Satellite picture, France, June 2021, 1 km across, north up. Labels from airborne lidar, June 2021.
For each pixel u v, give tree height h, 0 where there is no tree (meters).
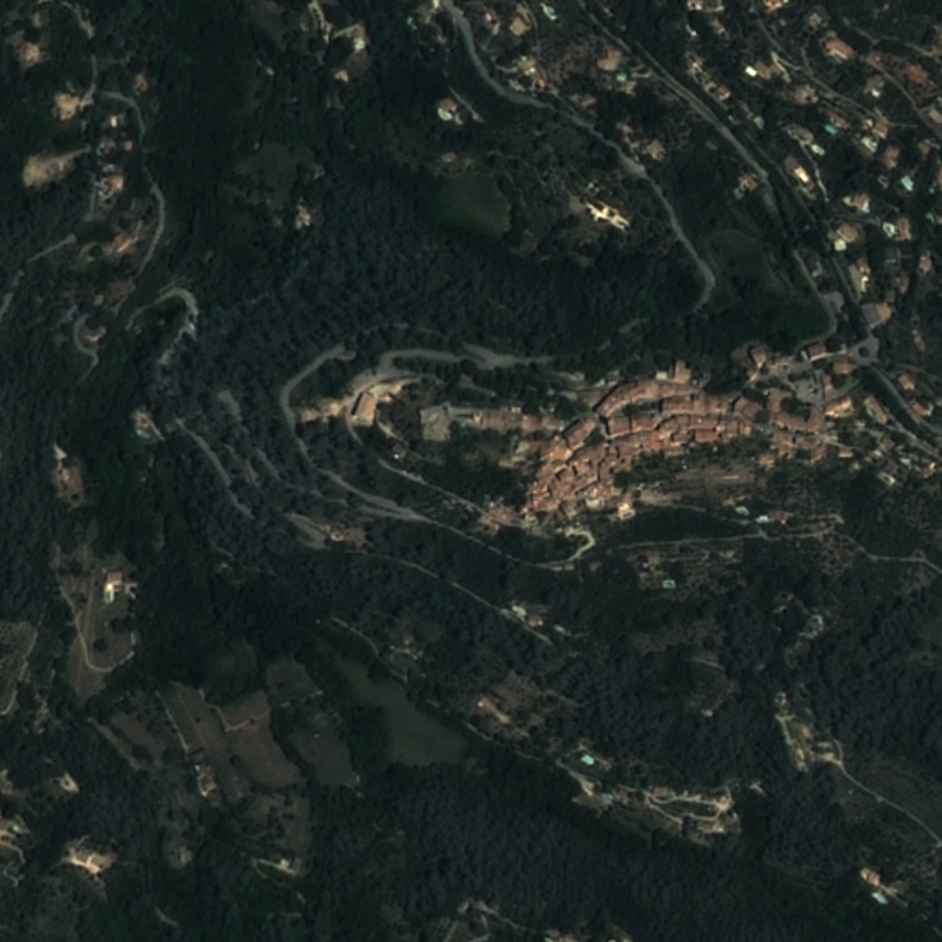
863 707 21
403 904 7
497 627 18
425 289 20
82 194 19
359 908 8
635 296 24
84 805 19
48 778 6
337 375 22
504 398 12
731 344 12
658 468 7
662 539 6
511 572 21
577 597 15
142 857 13
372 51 16
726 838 10
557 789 15
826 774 18
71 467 16
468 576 6
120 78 11
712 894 14
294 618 12
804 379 7
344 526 6
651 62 7
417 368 12
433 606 18
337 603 8
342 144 16
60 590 6
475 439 8
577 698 29
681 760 18
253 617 16
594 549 8
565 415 12
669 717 21
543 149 14
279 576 13
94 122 22
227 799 6
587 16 6
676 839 7
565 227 14
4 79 29
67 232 21
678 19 8
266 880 8
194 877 10
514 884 9
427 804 16
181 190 11
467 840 19
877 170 13
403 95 16
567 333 14
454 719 11
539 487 0
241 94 7
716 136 7
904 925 6
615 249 14
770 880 11
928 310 5
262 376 22
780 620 15
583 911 16
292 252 20
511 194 5
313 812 8
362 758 14
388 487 24
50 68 16
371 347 25
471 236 13
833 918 12
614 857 18
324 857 6
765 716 11
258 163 0
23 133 7
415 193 15
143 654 12
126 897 13
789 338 17
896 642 17
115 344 12
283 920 16
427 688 9
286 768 0
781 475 11
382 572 7
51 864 17
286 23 9
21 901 15
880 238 6
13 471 7
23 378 18
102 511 10
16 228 22
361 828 6
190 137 16
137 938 12
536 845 17
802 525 8
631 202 8
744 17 8
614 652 10
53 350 19
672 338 14
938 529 7
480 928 21
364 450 21
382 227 13
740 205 10
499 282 14
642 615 6
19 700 9
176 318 24
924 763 6
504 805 13
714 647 11
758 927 9
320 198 11
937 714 15
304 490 15
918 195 9
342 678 9
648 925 19
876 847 6
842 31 8
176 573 12
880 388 12
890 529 7
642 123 13
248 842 7
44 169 0
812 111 11
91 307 11
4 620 15
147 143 12
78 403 9
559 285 14
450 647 7
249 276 14
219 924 12
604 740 19
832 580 18
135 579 16
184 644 17
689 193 8
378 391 0
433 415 0
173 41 14
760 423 13
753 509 7
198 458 22
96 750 16
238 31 12
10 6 10
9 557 24
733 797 8
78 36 10
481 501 7
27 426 6
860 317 10
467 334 22
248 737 0
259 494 21
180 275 5
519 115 8
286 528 6
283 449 25
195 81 16
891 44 9
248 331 23
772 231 9
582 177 13
